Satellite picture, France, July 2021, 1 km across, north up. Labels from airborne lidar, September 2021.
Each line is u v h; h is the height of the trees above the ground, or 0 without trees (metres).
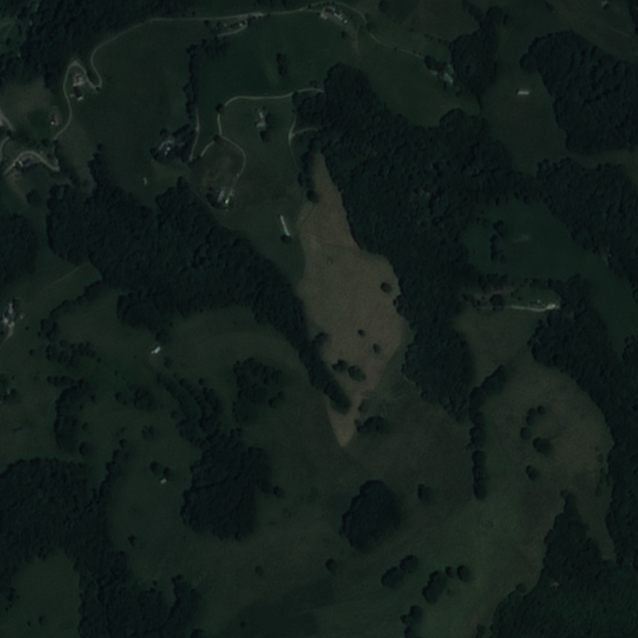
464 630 0
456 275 19
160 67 0
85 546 22
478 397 21
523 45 0
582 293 17
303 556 0
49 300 0
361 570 0
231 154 0
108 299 0
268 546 0
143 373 0
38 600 0
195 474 8
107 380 0
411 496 0
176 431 0
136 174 0
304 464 0
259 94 0
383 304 0
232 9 0
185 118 0
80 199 30
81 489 12
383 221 19
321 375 25
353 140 20
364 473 0
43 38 30
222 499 37
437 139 27
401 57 0
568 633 22
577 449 0
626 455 32
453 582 0
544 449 20
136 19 20
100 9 33
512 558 0
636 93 30
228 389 0
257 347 0
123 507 0
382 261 0
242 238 7
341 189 12
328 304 0
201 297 29
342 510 0
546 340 21
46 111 0
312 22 0
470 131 36
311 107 12
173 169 0
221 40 11
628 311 0
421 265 28
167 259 34
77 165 0
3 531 30
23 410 0
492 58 17
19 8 14
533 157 0
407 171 32
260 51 0
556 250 0
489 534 0
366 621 0
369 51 0
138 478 0
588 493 0
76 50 11
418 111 0
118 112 0
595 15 0
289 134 0
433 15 0
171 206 29
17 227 32
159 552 0
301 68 0
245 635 0
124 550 0
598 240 15
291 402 0
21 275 12
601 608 18
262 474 20
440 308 22
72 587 0
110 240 34
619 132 23
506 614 21
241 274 36
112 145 0
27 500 28
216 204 16
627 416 33
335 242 0
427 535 0
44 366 0
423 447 0
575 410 0
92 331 0
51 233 16
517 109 0
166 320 11
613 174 22
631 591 24
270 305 22
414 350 12
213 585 0
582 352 30
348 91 17
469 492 0
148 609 27
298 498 0
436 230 24
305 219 0
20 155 0
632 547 33
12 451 0
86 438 0
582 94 29
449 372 25
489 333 0
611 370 31
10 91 0
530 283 8
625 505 27
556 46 27
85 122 0
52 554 14
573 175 29
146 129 0
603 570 23
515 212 0
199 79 12
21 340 0
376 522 26
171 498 0
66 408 23
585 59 15
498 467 0
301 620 0
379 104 25
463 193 24
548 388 0
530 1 0
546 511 0
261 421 0
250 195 0
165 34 0
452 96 0
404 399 0
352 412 0
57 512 29
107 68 0
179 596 15
